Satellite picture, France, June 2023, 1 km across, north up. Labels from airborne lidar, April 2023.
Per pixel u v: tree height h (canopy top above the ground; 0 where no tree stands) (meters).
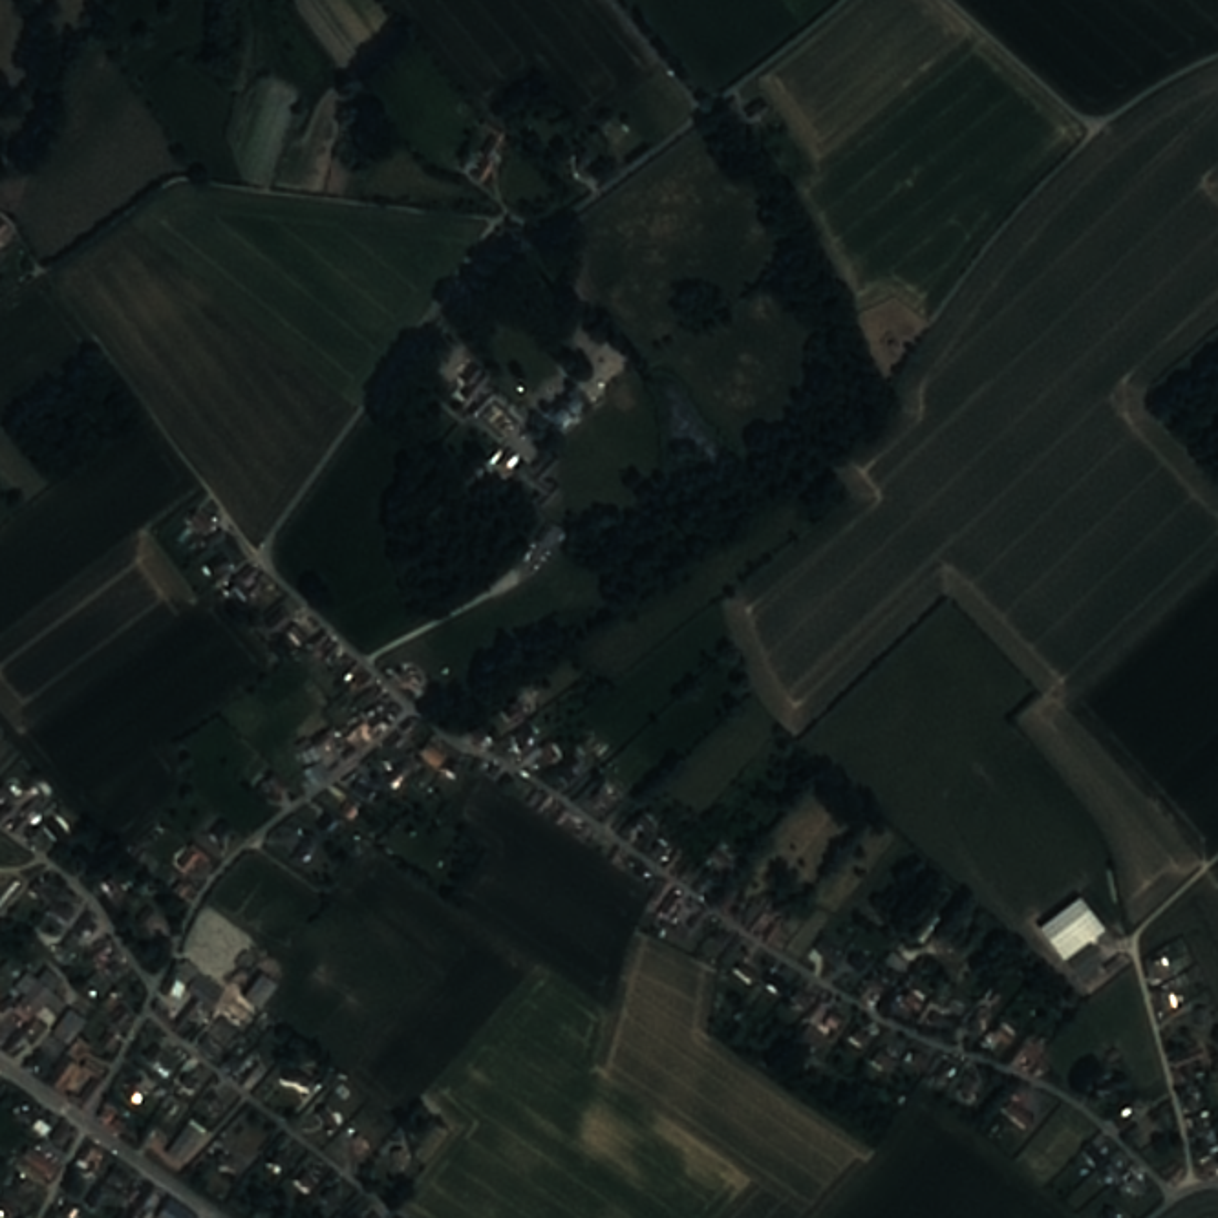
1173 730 0
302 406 0
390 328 0
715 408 0
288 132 0
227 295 0
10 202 0
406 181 0
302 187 0
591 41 0
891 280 0
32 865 0
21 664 0
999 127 0
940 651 0
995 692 0
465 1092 0
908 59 0
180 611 0
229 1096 0
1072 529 0
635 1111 0
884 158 0
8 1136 0
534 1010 0
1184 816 0
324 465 0
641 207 0
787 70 0
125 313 0
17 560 0
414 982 0
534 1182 0
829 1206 0
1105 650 0
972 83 0
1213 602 0
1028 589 0
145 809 0
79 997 0
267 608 0
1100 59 0
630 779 0
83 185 0
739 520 19
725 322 9
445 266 0
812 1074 12
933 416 0
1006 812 0
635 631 0
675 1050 0
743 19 0
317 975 0
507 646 25
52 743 0
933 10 0
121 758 0
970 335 0
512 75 0
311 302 0
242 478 0
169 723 0
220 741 0
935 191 0
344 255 0
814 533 0
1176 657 0
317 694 0
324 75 0
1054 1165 0
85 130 0
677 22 0
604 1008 0
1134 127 0
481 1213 0
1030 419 0
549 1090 0
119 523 0
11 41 0
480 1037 0
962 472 0
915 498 0
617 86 0
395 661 0
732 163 21
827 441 18
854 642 0
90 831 15
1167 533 0
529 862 0
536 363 0
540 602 0
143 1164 0
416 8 0
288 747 0
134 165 0
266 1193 8
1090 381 0
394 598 0
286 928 0
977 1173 0
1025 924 0
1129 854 0
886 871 0
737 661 15
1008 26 0
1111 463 0
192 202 0
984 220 0
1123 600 0
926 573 0
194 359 0
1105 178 0
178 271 0
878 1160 0
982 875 0
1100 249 0
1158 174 0
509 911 0
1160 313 0
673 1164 0
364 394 0
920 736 0
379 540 0
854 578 0
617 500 0
